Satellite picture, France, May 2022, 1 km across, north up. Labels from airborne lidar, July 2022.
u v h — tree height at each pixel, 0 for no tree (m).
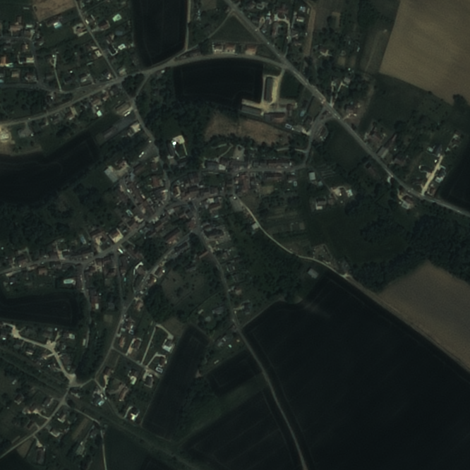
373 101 0
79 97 0
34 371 10
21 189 0
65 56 6
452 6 0
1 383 0
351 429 0
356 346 0
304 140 6
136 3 0
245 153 8
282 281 13
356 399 0
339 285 0
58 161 0
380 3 0
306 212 0
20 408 0
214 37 0
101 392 0
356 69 0
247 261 6
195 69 0
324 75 23
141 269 0
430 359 0
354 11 0
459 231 31
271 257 6
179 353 0
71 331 6
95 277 8
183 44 0
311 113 0
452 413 0
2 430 0
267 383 0
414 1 0
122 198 0
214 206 0
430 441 0
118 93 7
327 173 0
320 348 0
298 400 0
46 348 0
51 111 0
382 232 23
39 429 0
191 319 0
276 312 0
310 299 0
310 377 0
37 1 0
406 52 0
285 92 0
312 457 0
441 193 0
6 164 0
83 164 0
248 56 0
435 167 0
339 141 0
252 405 0
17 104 9
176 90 0
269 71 0
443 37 0
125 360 0
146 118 7
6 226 8
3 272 0
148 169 0
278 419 0
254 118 0
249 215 0
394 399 0
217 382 0
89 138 0
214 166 0
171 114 17
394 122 0
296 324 0
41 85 0
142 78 9
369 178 6
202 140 21
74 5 0
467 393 0
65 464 0
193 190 0
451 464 0
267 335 0
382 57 0
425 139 0
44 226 21
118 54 10
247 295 0
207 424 0
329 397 0
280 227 0
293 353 0
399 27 0
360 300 0
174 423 0
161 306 20
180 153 20
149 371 0
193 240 16
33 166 0
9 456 0
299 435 0
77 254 0
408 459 0
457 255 31
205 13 8
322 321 0
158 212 0
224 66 0
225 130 0
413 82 0
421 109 0
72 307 0
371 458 0
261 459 0
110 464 0
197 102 14
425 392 0
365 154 0
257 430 0
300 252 0
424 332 0
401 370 0
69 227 17
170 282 0
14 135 0
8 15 0
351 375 0
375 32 0
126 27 8
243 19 0
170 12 0
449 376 0
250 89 0
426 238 33
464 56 0
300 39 9
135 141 19
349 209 20
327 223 0
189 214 0
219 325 12
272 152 16
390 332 0
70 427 8
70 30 0
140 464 0
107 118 0
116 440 0
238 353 0
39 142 0
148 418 0
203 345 0
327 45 9
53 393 0
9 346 8
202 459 0
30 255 9
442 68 0
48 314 0
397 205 11
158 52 0
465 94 0
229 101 0
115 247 0
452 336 0
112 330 0
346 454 0
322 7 0
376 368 0
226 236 0
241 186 0
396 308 0
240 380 0
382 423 0
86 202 32
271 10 6
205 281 0
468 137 0
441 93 0
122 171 0
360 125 0
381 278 23
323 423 0
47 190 0
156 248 12
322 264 0
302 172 0
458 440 0
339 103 16
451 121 0
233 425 0
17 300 0
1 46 9
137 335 10
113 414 0
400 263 26
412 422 0
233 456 0
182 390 0
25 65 7
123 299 8
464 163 0
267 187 0
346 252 0
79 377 20
